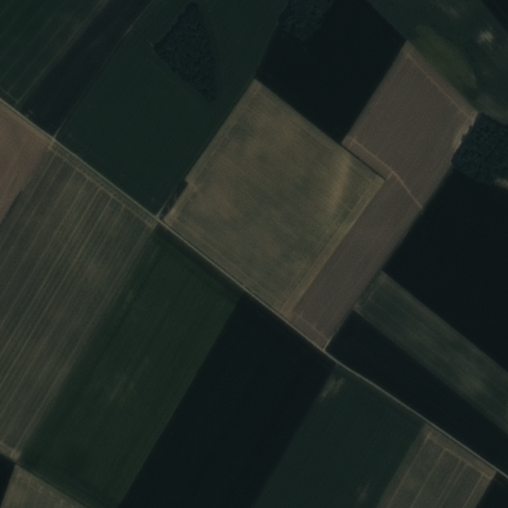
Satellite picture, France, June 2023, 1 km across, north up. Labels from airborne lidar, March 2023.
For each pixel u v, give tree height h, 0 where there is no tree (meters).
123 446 0
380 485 0
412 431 0
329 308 0
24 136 0
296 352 0
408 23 0
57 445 0
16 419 0
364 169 0
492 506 0
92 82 0
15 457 0
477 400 0
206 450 0
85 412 0
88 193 0
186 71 21
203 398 0
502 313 0
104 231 0
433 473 0
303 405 0
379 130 0
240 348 0
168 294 0
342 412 0
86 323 0
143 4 0
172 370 0
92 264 0
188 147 0
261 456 0
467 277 0
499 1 0
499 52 0
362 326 0
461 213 0
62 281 0
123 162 0
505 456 0
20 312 0
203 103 0
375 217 0
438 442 0
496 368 0
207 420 0
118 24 0
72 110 0
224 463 0
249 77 0
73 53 0
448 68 0
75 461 0
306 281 0
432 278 0
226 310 0
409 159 0
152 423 0
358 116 0
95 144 0
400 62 0
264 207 0
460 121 0
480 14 0
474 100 0
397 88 0
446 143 0
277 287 0
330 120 0
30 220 0
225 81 0
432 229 0
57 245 0
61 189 0
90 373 0
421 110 0
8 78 0
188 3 0
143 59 0
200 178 0
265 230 0
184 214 0
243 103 0
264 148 0
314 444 0
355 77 0
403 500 0
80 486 0
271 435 0
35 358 0
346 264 0
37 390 0
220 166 0
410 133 0
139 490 0
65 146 0
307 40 0
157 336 0
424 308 0
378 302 0
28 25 0
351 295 0
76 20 0
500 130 22
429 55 0
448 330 0
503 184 0
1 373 0
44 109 0
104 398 0
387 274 0
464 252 0
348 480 0
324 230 0
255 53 0
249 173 0
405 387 0
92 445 0
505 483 0
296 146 0
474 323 0
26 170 0
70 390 0
